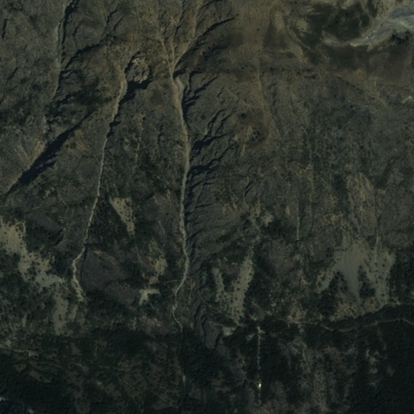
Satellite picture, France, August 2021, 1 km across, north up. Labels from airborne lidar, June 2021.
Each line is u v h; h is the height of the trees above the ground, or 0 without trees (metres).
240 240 6
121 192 8
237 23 0
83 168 0
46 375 16
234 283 7
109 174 5
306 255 7
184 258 6
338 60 0
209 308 8
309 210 0
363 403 16
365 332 12
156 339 8
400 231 8
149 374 11
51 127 0
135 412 13
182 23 0
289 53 0
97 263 0
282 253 0
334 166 17
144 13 0
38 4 0
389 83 0
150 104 0
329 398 7
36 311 6
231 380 9
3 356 10
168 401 8
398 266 8
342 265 0
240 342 11
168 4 0
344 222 0
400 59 0
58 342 7
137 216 14
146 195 6
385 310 13
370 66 0
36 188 15
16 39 0
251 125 0
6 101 0
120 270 0
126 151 0
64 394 9
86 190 5
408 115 0
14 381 13
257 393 8
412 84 0
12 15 0
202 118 6
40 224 0
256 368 9
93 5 0
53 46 0
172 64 0
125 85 0
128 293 0
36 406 11
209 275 9
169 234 7
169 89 0
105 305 13
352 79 0
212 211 0
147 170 18
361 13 0
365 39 0
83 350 10
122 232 16
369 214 0
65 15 0
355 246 0
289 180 6
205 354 9
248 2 0
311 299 6
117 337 20
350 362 10
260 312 0
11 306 7
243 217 7
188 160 0
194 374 10
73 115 7
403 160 6
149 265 0
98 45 8
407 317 8
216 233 0
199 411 15
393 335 9
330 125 0
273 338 6
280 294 6
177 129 9
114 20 0
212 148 6
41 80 0
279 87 0
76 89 0
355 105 0
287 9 0
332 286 11
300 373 6
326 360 11
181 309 0
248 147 0
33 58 0
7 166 0
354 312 14
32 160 0
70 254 7
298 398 9
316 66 0
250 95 0
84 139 6
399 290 7
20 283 8
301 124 7
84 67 0
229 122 0
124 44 0
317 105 9
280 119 0
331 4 0
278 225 7
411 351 13
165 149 8
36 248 6
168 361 10
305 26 0
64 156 0
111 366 10
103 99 10
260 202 6
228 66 0
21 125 8
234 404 8
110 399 11
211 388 8
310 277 6
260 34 0
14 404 22
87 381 7
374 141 0
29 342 6
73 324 6
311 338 8
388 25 0
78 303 6
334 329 6
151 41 0
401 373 11
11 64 0
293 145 0
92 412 13
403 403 13
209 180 6
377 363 6
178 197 9
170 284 8
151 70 10
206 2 0
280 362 7
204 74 0
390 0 0
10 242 0
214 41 0
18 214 12
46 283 0
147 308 5
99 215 13
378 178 6
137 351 8
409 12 0
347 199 6
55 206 7
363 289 8
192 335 11
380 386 8
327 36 0
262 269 6
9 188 0
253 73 0
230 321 6
